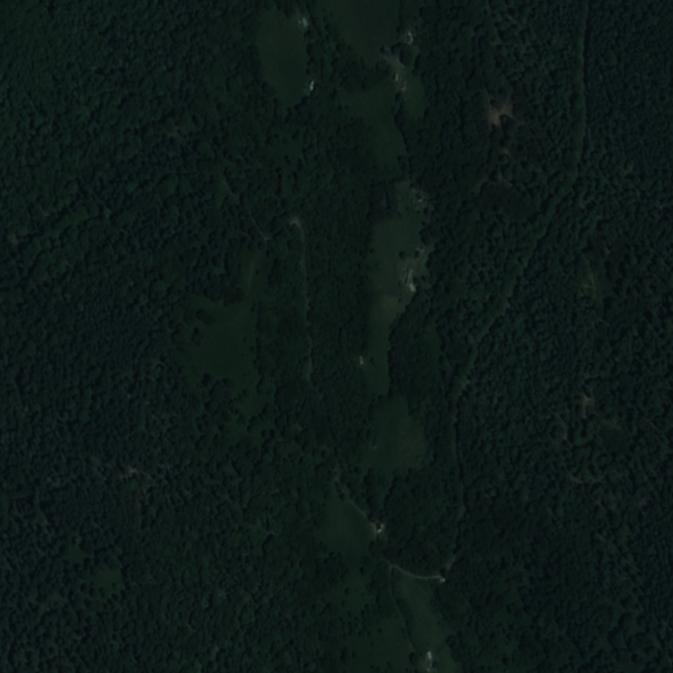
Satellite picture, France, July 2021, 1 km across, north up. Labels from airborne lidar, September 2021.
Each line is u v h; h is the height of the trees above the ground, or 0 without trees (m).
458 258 15
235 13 19
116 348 26
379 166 18
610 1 20
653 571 24
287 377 18
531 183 24
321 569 17
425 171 12
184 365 17
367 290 28
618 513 27
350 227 12
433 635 0
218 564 25
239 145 27
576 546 19
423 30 7
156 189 27
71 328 25
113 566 24
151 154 26
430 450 8
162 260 27
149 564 26
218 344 0
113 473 24
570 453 21
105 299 23
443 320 16
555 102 20
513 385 17
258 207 22
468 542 14
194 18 32
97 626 18
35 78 25
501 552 20
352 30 0
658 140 16
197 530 30
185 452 28
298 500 22
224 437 18
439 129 8
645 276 31
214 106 8
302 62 0
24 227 23
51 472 19
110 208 20
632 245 7
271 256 11
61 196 26
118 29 24
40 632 15
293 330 22
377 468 9
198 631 21
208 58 24
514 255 23
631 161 22
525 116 8
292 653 27
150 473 31
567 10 20
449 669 0
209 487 26
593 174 14
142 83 27
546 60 20
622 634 25
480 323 21
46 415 24
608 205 28
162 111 19
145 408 28
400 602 12
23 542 25
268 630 25
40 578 27
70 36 26
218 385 24
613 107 19
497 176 29
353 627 12
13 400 22
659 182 26
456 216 10
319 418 27
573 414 6
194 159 26
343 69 18
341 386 21
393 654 0
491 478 20
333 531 0
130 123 26
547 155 11
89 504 25
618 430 9
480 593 12
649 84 17
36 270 25
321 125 19
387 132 0
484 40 21
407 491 9
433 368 12
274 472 34
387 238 0
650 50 15
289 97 0
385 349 0
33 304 15
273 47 0
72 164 29
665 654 20
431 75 13
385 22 0
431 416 19
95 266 23
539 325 29
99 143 28
